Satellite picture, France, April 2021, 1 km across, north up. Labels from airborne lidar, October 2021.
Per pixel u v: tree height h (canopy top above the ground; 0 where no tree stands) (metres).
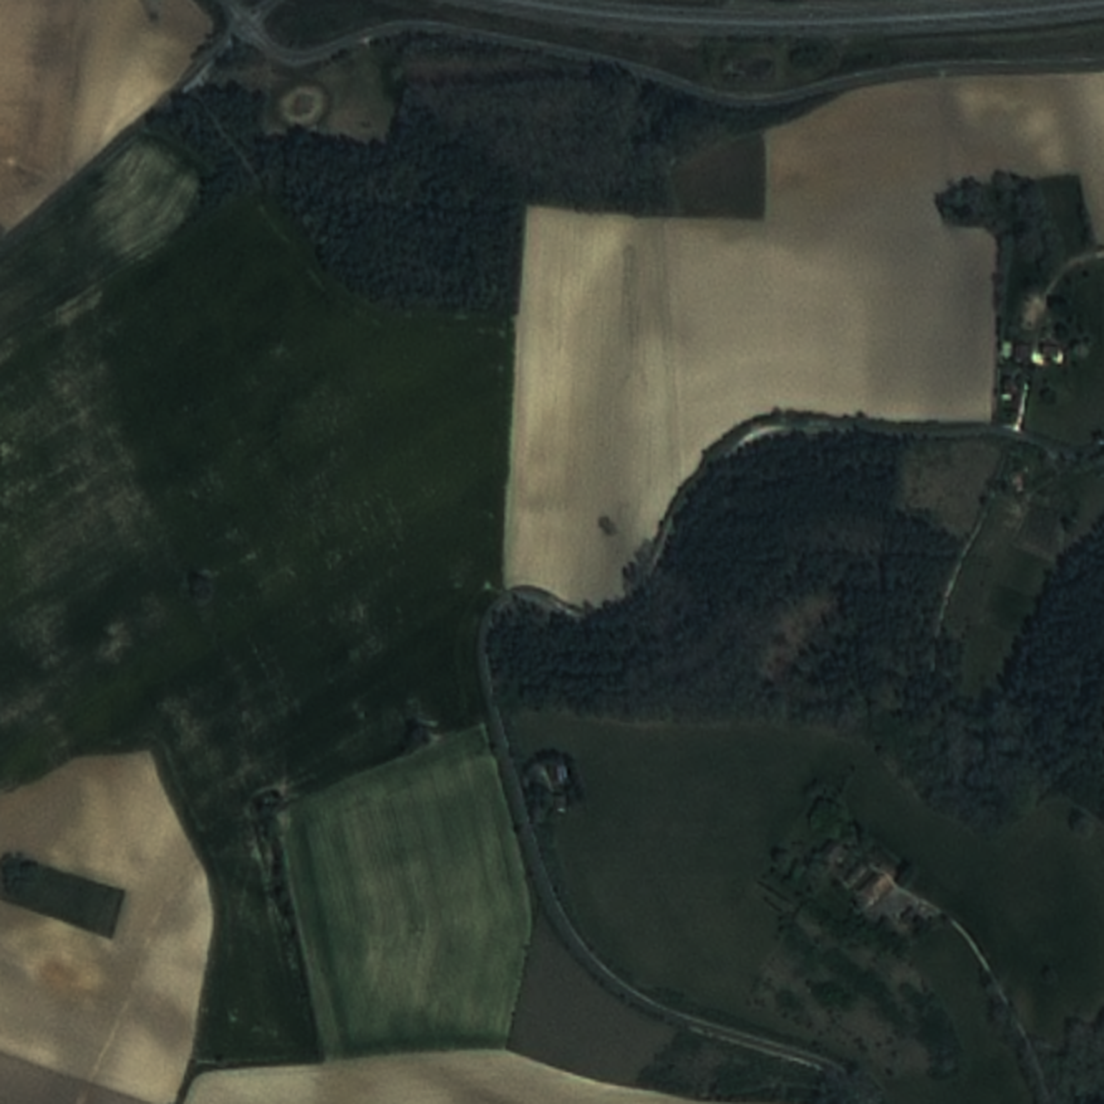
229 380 0
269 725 0
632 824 0
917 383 0
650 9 0
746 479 11
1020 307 0
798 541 15
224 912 0
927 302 0
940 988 0
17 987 0
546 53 9
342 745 0
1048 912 0
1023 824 0
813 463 14
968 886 0
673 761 0
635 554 0
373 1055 0
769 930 0
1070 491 0
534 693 11
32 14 0
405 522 0
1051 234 18
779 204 0
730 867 0
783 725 15
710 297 0
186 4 0
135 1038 0
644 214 20
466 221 19
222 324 0
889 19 0
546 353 0
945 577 10
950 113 0
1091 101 0
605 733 0
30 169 0
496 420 0
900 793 0
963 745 20
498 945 0
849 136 0
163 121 11
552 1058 0
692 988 0
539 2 0
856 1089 16
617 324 0
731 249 0
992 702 12
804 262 0
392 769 0
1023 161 0
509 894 0
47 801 0
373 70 0
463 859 0
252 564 0
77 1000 0
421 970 0
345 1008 0
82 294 0
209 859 0
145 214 0
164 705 0
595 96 21
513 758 6
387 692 0
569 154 21
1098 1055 23
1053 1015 0
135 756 0
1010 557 0
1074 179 0
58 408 0
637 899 0
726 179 0
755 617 11
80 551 0
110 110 0
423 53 12
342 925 0
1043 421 0
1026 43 0
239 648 0
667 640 10
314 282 0
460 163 25
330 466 0
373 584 0
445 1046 0
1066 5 0
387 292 12
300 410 0
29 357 0
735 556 15
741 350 0
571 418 0
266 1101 0
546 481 0
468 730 0
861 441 14
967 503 0
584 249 0
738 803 0
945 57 0
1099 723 11
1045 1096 22
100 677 0
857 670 9
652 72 0
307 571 0
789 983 0
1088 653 17
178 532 0
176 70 0
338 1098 0
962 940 0
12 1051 0
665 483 0
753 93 0
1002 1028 18
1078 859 0
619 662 18
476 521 0
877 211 0
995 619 0
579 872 0
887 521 18
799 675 11
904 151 0
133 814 0
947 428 0
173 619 0
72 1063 0
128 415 0
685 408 0
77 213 0
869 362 0
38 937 0
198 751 0
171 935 0
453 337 0
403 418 0
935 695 17
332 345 0
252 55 17
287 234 0
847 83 0
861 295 0
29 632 0
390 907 0
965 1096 0
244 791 0
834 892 7
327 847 0
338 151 16
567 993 0
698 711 19
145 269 0
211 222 0
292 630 0
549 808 10
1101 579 19
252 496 0
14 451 0
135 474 0
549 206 17
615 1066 0
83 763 0
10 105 0
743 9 0
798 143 0
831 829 9
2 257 0
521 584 0
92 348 0
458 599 0
